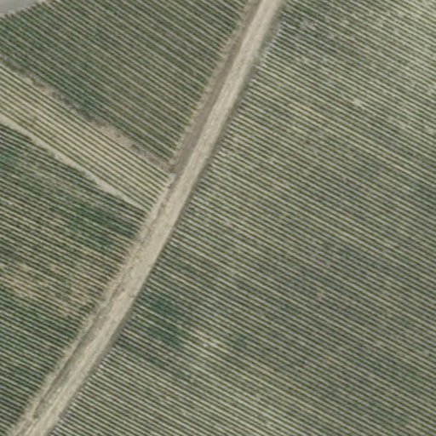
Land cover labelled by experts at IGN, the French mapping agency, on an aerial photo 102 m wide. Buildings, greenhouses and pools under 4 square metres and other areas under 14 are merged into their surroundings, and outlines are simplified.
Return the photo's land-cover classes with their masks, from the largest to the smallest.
<instances>
[{"label":"vineyard","instance_id":"1","mask_svg":"<svg viewBox=\"0 0 436 436\"><path fill-rule=\"evenodd\" d=\"M262 0H49L36 3L31 9L20 10L17 14L0 17V436H7L10 427L20 421V416L26 409L34 412V419L43 416L49 400L53 399L54 393L61 385H65L73 364L82 356L83 347L94 339L95 330L102 327L111 312L112 303L123 293L126 274H131L135 267V259H140L145 245L150 244L152 240L153 230L165 213L194 146L198 145L199 136L208 123L209 112L218 102L223 83L227 80L233 60L244 41L245 32L249 29ZM46 436H436V0H281L259 48L255 51L254 60L250 63L249 72L238 90L237 99L221 124L220 133L209 150L203 169L199 170L186 203L182 206L157 261L153 262L140 293L136 295L135 301L119 322L118 329L112 334L106 349L95 359L80 387L75 390L72 399L68 400L58 421L49 427Z\"/></svg>","mask_w":436,"mask_h":436},{"label":"pervious surface","instance_id":"2","mask_svg":"<svg viewBox=\"0 0 436 436\"><path fill-rule=\"evenodd\" d=\"M49 0H0V17L17 14L20 10L31 9L36 3ZM281 0H262L249 29L245 32L244 41L233 60L227 80L223 83L218 102L209 112L208 123L199 136L198 145L194 146L165 213L153 230L152 240L150 244L145 245L140 259H135V267L131 274H126L123 293L112 303L111 312L102 327L95 330L94 339L83 347L82 356L73 364L65 385H61L54 393L53 399L49 400L43 416L34 419V412L26 409L20 416V421L10 427L7 436H46L49 427L58 421L68 400L72 399L75 390L80 387L95 359L106 349L112 334L118 329L119 322L135 301L136 295L140 293L153 262L157 261L182 206L186 203L199 170L203 169L209 150L220 133L221 124L237 99L238 90L249 72L250 63L254 60L255 51L259 48Z\"/></svg>","mask_w":436,"mask_h":436}]
</instances>
